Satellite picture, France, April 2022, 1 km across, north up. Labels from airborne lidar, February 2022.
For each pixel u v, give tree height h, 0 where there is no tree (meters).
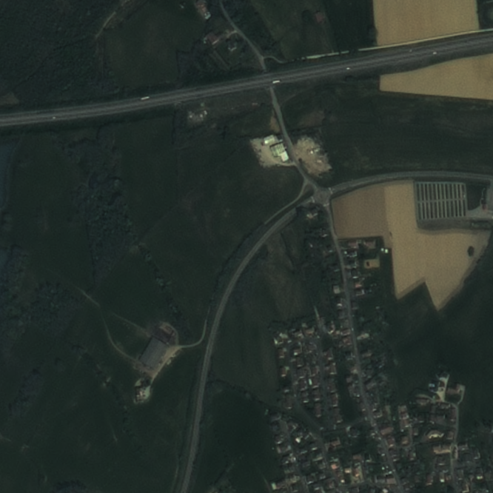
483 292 0
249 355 0
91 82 11
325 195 0
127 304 0
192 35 0
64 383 0
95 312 0
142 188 0
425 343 0
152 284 0
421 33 0
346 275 0
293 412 0
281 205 0
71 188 0
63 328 19
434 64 0
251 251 0
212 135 0
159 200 0
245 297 0
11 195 0
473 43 0
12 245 0
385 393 7
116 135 0
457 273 0
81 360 0
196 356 0
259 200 0
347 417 0
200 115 0
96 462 0
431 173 0
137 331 0
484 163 0
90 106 0
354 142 0
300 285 0
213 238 0
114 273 0
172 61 0
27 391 18
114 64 0
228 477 10
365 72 0
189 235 0
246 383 0
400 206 0
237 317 0
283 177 0
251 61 0
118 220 23
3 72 9
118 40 0
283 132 0
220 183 0
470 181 0
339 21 0
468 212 0
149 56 0
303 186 0
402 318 0
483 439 0
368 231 0
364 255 7
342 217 0
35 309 17
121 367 0
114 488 0
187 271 0
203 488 0
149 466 0
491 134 0
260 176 0
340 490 0
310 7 0
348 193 0
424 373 0
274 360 0
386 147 0
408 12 0
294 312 0
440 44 0
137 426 0
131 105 0
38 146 0
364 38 0
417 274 0
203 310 0
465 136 0
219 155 0
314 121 0
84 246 0
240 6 15
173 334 0
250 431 0
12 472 0
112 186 18
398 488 0
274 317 0
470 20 0
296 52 0
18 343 0
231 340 0
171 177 0
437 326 0
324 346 0
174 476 0
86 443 0
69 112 0
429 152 0
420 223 0
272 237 0
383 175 0
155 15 0
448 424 0
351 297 0
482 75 0
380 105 0
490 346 0
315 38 0
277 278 0
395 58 0
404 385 0
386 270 0
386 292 0
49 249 0
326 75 0
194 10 0
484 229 0
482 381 0
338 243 0
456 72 0
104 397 0
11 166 0
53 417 0
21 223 0
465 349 0
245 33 8
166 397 0
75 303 17
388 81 0
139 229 0
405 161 0
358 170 0
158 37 0
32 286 0
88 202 17
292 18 0
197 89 0
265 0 0
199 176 0
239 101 0
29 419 0
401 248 0
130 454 0
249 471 0
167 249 0
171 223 0
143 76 0
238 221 0
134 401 0
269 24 0
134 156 0
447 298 0
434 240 0
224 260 0
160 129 0
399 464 9
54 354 0
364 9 0
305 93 0
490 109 0
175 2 0
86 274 0
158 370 0
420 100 0
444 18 0
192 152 0
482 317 0
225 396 0
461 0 0
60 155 0
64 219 0
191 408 7
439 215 0
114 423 0
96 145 15
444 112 0
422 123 0
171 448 0
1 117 0
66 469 0
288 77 0
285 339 0
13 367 0
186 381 0
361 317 8
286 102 0
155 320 0
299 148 0
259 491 0
